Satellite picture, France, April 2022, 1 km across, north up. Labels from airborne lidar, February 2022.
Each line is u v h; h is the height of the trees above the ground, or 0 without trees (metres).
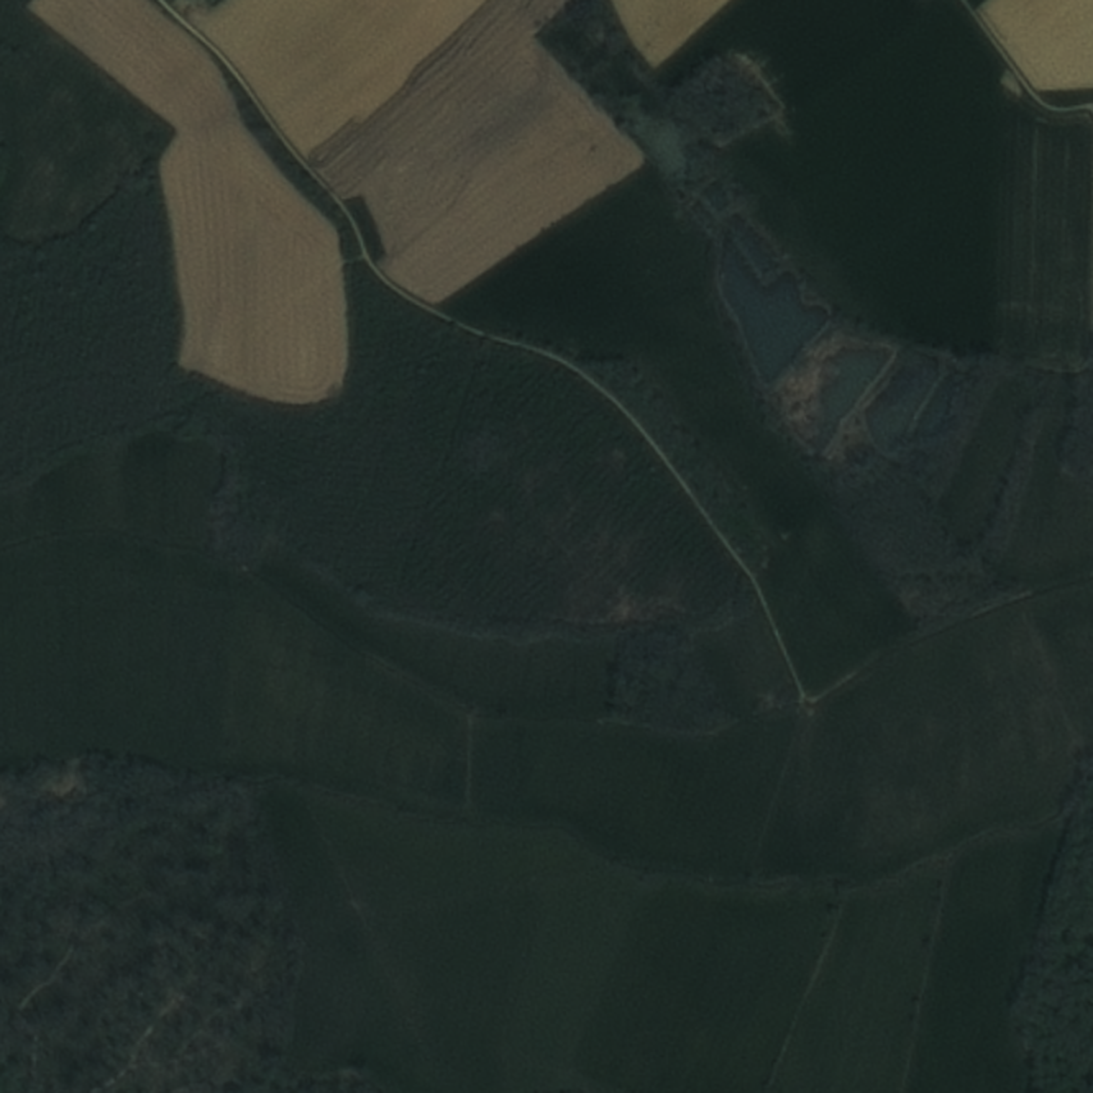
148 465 0
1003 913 0
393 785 0
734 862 0
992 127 0
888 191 0
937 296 0
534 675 0
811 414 0
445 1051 0
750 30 0
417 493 6
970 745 0
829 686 0
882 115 0
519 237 0
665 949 0
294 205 0
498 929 0
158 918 0
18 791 20
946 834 0
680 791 0
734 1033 0
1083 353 0
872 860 0
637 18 0
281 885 12
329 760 0
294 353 0
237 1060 0
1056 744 0
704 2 0
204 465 0
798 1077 0
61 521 0
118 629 0
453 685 0
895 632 0
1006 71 0
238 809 20
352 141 0
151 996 27
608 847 0
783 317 0
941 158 0
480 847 0
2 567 0
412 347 6
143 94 0
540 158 0
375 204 0
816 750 0
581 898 0
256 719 0
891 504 25
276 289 0
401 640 0
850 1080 0
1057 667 0
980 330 0
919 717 0
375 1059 0
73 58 0
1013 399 0
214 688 0
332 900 0
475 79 0
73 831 22
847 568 0
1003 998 0
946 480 25
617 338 0
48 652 0
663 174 0
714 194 0
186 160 0
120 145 0
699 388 0
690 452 26
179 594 0
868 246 0
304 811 0
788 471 0
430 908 0
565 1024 0
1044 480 0
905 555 25
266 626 0
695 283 0
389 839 0
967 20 0
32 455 12
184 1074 28
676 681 23
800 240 0
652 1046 0
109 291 11
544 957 0
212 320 0
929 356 0
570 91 0
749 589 9
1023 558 0
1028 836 0
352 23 0
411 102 0
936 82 0
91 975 25
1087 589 0
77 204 0
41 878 26
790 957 0
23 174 0
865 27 0
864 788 0
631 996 0
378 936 0
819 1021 0
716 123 23
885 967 0
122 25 0
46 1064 29
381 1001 0
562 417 6
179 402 9
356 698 0
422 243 0
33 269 12
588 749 0
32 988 29
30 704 0
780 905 0
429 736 0
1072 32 0
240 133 0
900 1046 0
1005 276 0
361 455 8
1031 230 0
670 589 0
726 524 21
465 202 0
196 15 0
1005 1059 0
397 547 7
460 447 6
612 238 0
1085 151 0
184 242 0
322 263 0
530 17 0
